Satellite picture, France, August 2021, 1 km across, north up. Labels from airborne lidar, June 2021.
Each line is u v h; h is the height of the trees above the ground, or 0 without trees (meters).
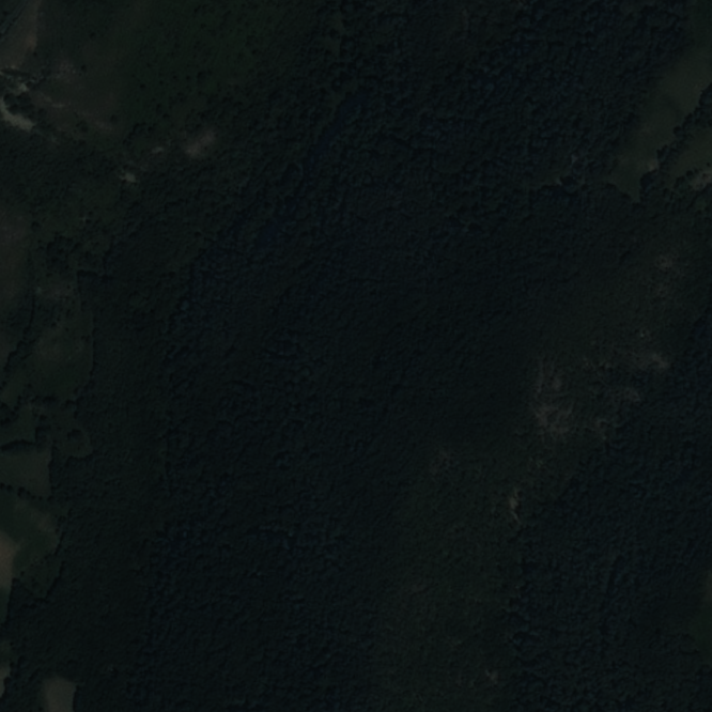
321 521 23
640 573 14
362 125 22
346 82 18
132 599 25
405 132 25
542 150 20
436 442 19
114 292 28
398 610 8
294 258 21
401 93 28
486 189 17
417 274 27
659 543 16
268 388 31
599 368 24
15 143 8
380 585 17
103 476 18
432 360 25
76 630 23
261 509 28
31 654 18
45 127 10
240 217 19
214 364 22
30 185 6
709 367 27
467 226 25
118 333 24
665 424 23
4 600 0
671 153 11
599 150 11
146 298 37
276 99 23
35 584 8
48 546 0
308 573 21
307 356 31
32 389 11
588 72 22
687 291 17
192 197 14
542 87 28
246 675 23
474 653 11
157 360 36
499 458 19
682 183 15
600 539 14
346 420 25
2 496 0
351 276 27
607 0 19
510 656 21
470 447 20
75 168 7
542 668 18
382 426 22
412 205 30
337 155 23
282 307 25
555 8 26
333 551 23
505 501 23
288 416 30
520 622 23
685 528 18
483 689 10
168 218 13
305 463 22
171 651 27
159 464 31
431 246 27
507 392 25
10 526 0
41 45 0
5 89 7
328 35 12
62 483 18
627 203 17
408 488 19
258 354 34
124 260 22
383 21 20
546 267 21
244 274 21
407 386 30
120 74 0
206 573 33
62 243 16
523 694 31
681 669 21
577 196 22
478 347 30
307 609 24
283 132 15
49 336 0
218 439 32
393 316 31
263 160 21
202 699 30
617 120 13
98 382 21
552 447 15
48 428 8
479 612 15
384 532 24
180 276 17
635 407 21
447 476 12
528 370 14
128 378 24
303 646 26
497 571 18
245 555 32
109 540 24
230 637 22
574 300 18
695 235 22
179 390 32
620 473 24
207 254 18
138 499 20
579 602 19
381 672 16
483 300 28
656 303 15
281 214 15
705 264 22
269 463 28
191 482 22
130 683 12
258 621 23
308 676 30
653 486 21
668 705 22
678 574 22
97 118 0
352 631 20
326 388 22
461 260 28
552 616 17
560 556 13
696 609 16
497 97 30
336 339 31
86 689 22
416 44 24
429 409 28
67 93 0
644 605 25
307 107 17
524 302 24
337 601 25
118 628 23
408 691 12
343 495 24
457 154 31
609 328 20
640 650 25
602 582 14
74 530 15
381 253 27
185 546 28
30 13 0
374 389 24
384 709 8
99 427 24
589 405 11
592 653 23
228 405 26
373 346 23
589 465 25
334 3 18
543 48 30
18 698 19
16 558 0
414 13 24
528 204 18
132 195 8
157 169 12
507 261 22
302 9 7
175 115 0
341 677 22
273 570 29
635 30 22
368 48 14
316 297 30
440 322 27
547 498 32
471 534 11
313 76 18
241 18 8
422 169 28
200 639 31
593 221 20
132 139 13
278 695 31
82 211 8
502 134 28
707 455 31
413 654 13
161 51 0
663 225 14
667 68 14
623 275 11
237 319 22
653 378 17
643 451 11
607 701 24
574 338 18
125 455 20
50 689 0
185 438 32
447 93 26
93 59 0
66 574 17
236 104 9
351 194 28
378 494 23
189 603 29
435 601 9
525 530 20
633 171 0
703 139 0
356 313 30
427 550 14
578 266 20
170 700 25
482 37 25
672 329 20
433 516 13
